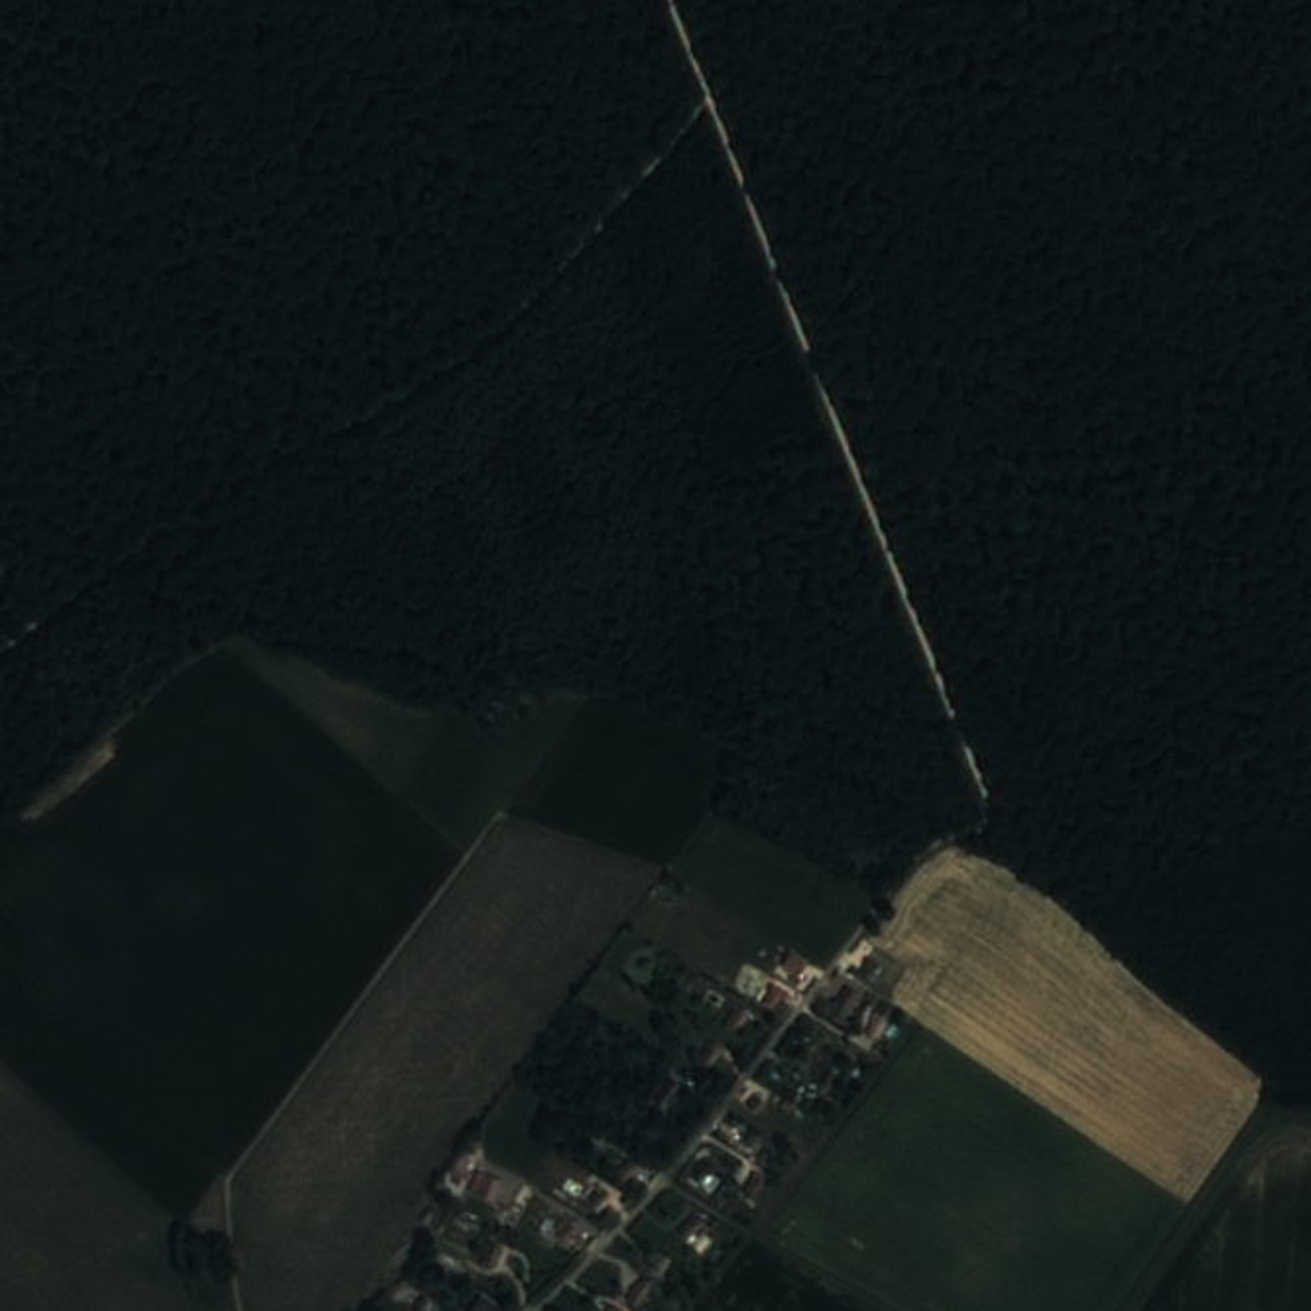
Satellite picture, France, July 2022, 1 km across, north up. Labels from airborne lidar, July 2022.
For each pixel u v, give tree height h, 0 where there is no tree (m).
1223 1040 10
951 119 21
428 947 0
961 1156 0
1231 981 12
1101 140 20
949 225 22
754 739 23
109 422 25
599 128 21
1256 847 12
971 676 27
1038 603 22
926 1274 0
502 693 23
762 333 10
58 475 15
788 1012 0
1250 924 11
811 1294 0
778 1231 0
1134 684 22
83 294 26
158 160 28
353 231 24
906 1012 7
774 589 29
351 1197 0
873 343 17
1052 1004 0
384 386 21
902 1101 0
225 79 28
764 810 22
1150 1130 0
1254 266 21
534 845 0
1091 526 22
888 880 15
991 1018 0
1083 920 14
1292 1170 0
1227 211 6
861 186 23
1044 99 26
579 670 15
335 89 25
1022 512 27
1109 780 23
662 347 10
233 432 25
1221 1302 0
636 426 21
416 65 25
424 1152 0
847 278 26
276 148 19
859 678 26
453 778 0
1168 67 30
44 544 19
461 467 13
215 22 25
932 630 10
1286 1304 0
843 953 0
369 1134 0
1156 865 18
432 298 25
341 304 25
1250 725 21
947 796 26
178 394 24
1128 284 26
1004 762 24
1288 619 26
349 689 0
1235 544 24
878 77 25
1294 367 26
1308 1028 14
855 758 24
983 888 0
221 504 18
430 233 26
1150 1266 0
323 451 19
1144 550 19
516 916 0
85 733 7
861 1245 0
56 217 18
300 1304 0
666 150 15
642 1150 19
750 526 22
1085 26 27
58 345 26
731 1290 0
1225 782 21
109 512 16
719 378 8
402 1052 0
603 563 25
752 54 19
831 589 21
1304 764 27
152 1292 0
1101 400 24
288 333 25
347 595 20
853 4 17
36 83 21
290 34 20
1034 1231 0
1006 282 21
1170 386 17
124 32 27
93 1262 0
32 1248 0
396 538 17
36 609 17
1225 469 30
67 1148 0
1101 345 25
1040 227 25
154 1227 0
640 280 17
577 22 23
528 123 15
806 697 28
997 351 22
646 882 0
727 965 0
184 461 25
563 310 23
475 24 26
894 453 19
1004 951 0
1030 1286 0
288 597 19
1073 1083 0
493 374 22
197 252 23
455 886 0
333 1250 0
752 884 0
